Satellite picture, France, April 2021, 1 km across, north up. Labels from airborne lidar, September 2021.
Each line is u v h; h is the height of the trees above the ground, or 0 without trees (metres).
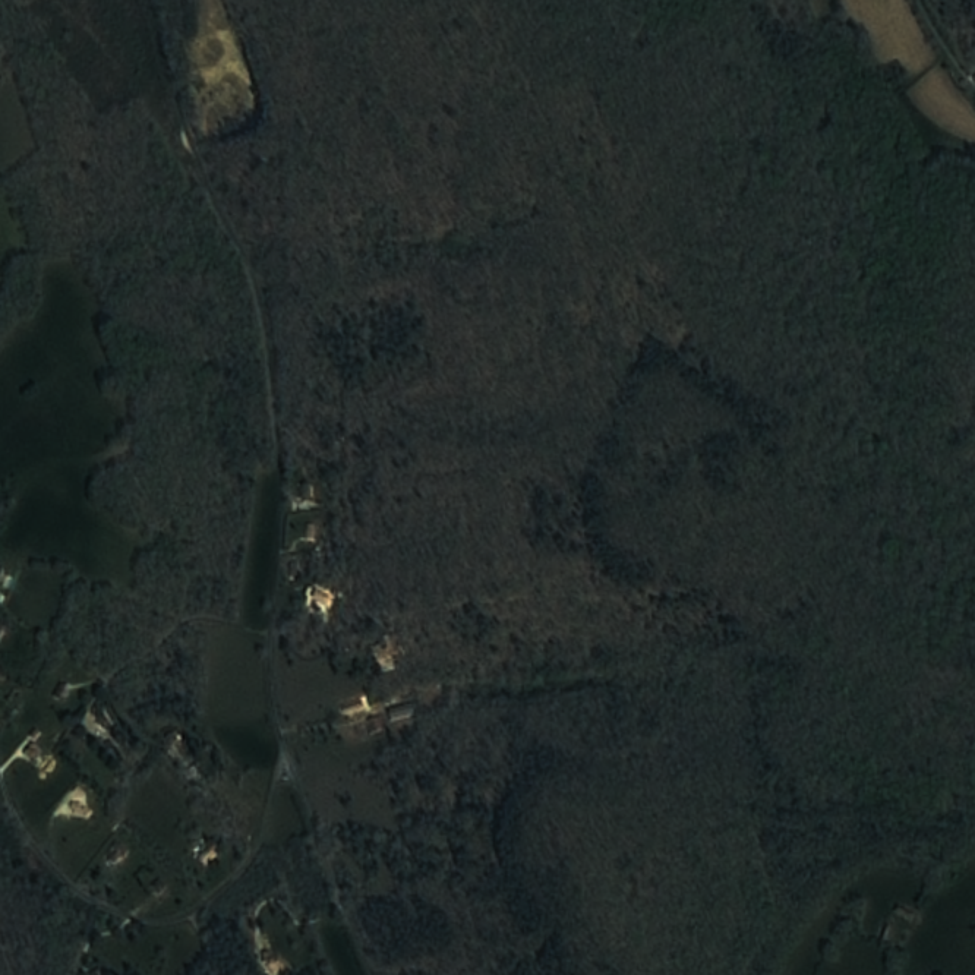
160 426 22
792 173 22
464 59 15
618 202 15
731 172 16
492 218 7
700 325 15
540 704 17
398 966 13
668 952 14
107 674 15
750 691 20
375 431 13
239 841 13
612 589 9
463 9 15
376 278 17
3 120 0
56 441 0
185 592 16
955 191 18
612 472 16
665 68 19
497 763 13
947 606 15
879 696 15
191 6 9
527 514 12
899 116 20
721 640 12
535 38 15
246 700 0
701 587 16
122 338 21
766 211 23
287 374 18
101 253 22
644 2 19
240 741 0
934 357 23
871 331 22
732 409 18
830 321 20
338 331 13
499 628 14
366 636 14
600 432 15
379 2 14
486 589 12
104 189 14
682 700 15
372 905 11
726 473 15
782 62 18
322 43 13
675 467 13
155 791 0
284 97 12
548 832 16
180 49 11
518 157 15
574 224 15
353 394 12
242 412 24
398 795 16
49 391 0
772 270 20
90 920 13
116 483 21
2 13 16
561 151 15
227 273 21
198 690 15
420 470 10
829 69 22
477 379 9
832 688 18
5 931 18
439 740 11
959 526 16
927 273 23
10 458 0
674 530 14
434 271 14
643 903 11
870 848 19
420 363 12
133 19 6
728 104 18
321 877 7
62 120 15
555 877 17
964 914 0
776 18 8
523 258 14
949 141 0
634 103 18
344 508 11
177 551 7
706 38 20
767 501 15
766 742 20
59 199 11
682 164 16
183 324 16
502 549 13
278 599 0
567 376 13
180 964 0
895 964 14
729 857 16
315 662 0
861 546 18
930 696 15
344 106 13
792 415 18
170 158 22
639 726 15
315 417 16
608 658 18
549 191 13
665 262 14
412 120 17
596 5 25
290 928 15
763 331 25
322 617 8
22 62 14
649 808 15
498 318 14
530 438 14
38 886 17
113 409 0
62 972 23
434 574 13
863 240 19
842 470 16
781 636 17
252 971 16
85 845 0
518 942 11
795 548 18
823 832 13
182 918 0
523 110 14
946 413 17
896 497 19
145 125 20
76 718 8
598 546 17
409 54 13
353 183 14
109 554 0
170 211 18
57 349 0
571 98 14
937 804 18
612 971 16
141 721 11
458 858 18
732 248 16
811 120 20
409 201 12
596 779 18
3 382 0
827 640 16
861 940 6
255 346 21
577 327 10
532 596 10
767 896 14
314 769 0
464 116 14
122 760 11
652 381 18
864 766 19
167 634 17
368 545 17
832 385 19
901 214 23
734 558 16
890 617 20
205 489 16
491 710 16
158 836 0
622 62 21
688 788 17
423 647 11
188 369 17
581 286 14
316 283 15
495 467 15
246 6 14
